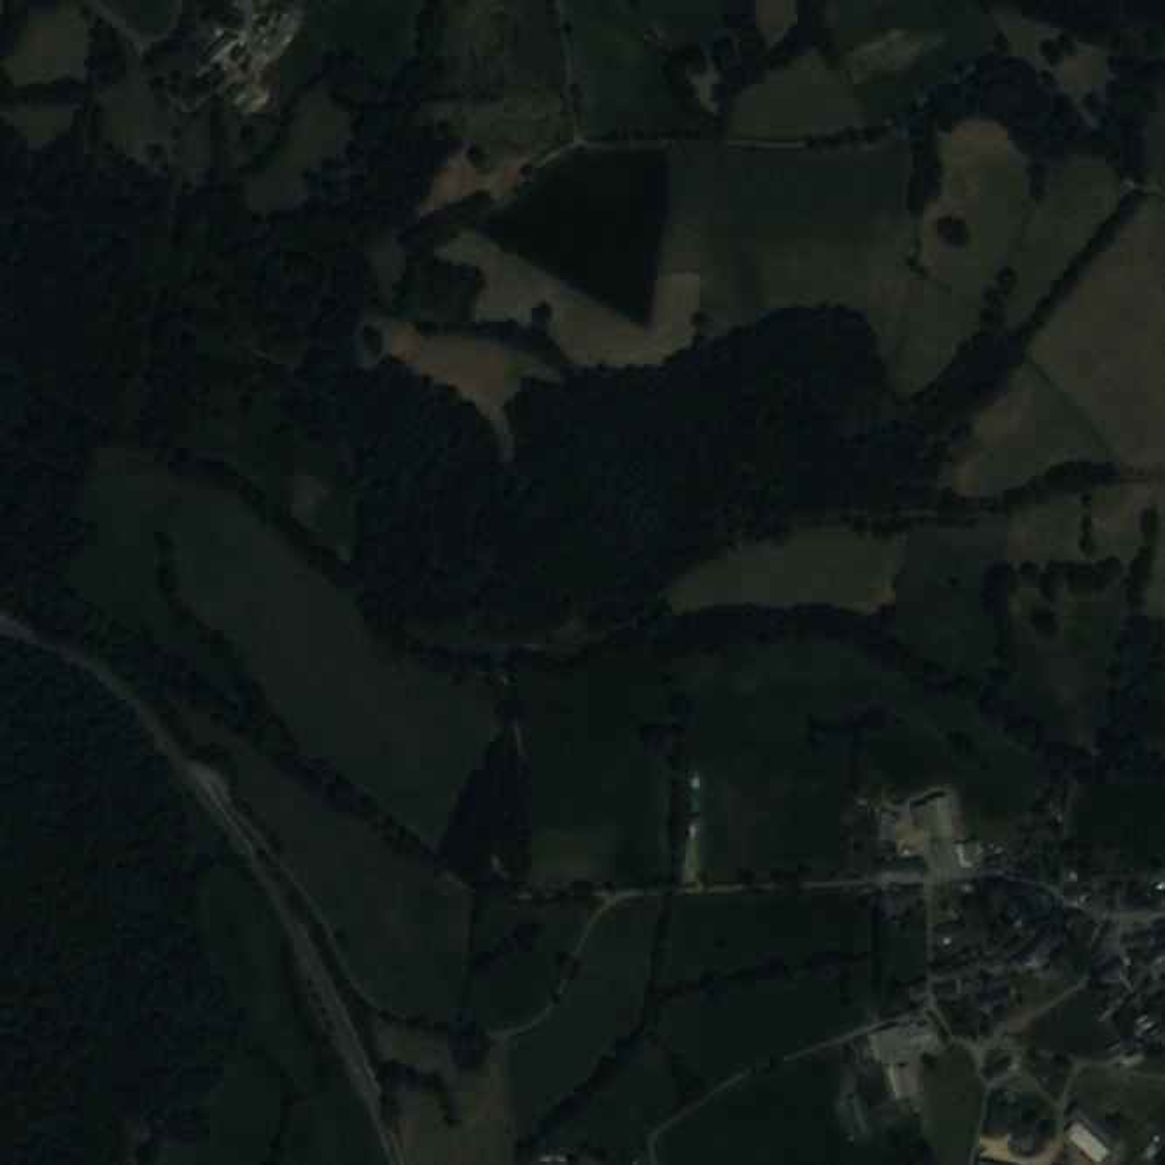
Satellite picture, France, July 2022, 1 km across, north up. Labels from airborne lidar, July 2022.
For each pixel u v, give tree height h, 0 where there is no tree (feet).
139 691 29
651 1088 0
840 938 0
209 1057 50
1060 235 0
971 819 0
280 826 0
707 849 0
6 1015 57
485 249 0
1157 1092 0
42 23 0
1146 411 0
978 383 50
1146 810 0
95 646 32
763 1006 0
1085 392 0
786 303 0
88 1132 60
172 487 0
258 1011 0
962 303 0
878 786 0
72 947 51
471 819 70
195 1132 75
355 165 64
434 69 29
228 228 64
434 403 42
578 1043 0
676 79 66
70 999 64
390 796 0
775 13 0
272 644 0
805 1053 0
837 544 0
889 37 0
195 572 0
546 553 54
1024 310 0
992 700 52
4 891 60
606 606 64
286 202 0
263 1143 0
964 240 49
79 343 78
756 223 0
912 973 0
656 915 0
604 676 0
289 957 41
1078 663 0
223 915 0
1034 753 64
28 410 31
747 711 0
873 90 0
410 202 56
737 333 39
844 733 53
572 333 0
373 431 58
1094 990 31
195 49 37
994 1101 23
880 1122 0
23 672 24
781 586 0
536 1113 0
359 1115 0
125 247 86
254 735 51
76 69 0
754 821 0
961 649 0
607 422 57
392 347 0
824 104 0
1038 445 0
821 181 0
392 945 0
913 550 0
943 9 0
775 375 65
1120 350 0
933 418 22
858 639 50
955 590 32
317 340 74
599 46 0
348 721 0
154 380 65
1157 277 0
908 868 0
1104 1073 0
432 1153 0
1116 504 0
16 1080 64
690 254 0
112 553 0
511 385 0
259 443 0
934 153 49
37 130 0
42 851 45
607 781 0
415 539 48
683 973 0
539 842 0
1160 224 0
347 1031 0
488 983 0
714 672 0
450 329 34
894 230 0
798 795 0
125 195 28
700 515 45
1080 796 0
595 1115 0
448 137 40
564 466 47
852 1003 47
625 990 0
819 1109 0
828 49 68
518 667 53
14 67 0
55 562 67
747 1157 0
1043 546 0
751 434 63
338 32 0
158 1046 51
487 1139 0
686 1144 0
